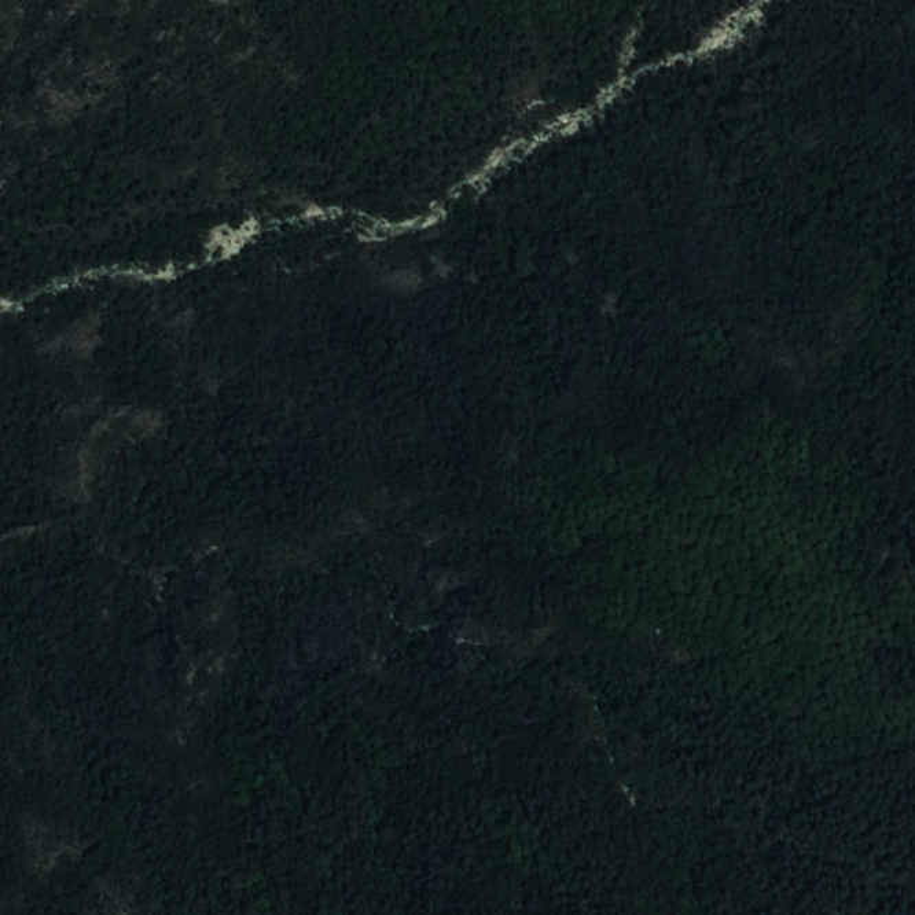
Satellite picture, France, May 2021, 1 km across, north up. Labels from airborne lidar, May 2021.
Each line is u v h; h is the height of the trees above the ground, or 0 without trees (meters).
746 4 23
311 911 14
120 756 10
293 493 8
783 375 11
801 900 12
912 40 18
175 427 20
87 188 15
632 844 7
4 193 8
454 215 11
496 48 9
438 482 6
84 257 18
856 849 8
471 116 8
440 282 6
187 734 10
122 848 15
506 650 8
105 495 13
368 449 6
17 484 13
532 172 32
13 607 18
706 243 9
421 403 11
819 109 6
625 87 0
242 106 10
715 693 20
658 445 16
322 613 7
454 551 13
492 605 13
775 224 8
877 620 20
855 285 16
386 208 22
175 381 18
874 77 7
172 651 15
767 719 23
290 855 18
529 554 13
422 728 9
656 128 18
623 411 11
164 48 8
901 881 22
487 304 18
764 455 18
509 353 12
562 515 12
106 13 6
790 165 14
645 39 8
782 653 17
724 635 18
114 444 14
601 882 21
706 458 18
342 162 16
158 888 10
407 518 10
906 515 19
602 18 12
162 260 14
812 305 9
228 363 9
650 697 23
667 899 19
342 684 12
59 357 7
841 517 18
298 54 7
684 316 12
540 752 11
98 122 7
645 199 7
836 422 24
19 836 7
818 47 22
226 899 15
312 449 14
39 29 6
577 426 12
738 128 28
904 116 10
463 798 21
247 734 13
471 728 22
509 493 7
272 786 18
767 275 11
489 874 10
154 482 20
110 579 9
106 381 14
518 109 8
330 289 9
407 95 13
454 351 14
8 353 12
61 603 12
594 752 19
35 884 8
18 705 10
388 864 15
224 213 16
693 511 14
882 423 13
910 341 11
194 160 11
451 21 11
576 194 7
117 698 9
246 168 17
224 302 11
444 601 8
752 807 17
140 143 10
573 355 6
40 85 13
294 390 11
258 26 6
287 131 18
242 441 26
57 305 17
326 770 16
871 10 22
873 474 13
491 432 8
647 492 20
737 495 16
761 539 18
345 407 8
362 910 25
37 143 8
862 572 16
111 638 13
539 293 16
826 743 15
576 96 13
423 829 20
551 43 14
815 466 10
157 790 16
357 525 5
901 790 24
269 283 24
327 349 15
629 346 9
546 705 9
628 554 13
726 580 17
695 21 8
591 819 24
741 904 8
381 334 9
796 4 21
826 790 31
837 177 16
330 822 21
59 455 9
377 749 19
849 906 18
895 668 26
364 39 10
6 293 11
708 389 12
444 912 9
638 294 15
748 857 19
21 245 18
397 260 6
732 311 12
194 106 14
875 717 22
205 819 9
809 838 24
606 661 17
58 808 9
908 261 19
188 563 10
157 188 6
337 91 10
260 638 17
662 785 7
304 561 11
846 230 10
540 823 26
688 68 19
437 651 10
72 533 10
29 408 9
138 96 7
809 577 15
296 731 16
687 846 18
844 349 6
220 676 8
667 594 17
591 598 19
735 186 8
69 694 6
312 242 25
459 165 23
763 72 6
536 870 17
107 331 17
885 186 13
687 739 18
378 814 17
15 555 10
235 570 10
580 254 12
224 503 9
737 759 21
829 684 20
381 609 8
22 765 7
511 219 23
